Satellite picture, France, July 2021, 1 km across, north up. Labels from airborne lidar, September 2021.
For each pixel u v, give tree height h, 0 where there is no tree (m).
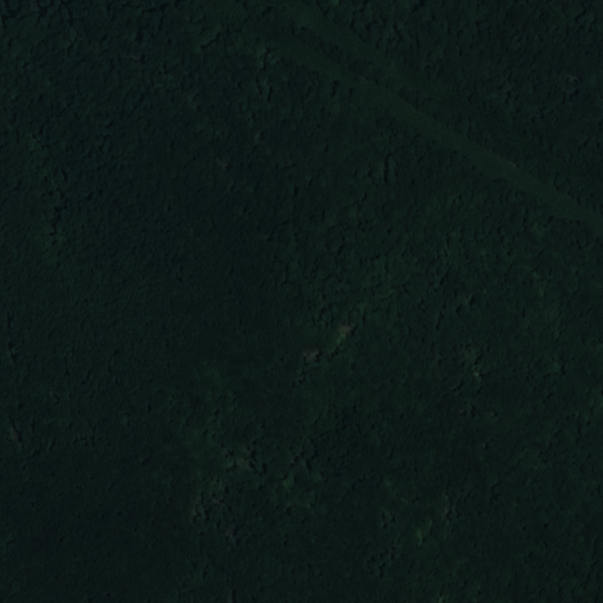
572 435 15
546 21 25
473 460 29
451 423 30
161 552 18
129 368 31
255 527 18
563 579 20
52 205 26
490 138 21
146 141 24
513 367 17
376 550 25
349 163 28
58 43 31
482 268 18
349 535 22
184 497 22
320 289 23
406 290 24
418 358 23
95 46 27
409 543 23
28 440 25
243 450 29
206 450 32
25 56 20
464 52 26
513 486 22
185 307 30
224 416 28
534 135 20
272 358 28
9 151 26
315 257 22
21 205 31
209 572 20
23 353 29
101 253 27
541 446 25
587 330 27
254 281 28
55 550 25
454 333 23
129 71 23
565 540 23
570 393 27
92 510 28
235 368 26
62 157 29
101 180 28
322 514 29
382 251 28
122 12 28
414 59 26
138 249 27
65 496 29
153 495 24
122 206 29
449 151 9
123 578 24
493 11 22
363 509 27
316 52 7
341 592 25
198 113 20
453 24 29
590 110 26
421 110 19
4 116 25
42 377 30
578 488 29
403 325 23
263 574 22
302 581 23
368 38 20
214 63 19
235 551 24
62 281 23
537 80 32
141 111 21
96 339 29
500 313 23
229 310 26
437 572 17
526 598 25
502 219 21
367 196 25
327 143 26
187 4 33
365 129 19
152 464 24
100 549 24
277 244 30
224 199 19
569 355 32
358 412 33
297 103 30
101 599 25
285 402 24
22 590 24
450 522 19
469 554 27
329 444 26
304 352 30
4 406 29
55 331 31
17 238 27
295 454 33
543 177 22
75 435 24
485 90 28
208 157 20
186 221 21
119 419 23
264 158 23
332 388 32
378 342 26
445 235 18
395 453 21
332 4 28
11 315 23
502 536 24
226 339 25
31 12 35
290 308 27
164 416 20
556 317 7
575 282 24
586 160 28
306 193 30
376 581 21
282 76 19
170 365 27
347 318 27
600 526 28
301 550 25
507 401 21
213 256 28
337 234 27
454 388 22
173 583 19
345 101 31
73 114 21
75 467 24
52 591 23
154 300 29
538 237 27
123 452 16
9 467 25
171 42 30
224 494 35
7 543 27
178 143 21
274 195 31
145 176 27
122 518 24
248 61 24
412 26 29
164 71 12
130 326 30
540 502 24
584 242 27
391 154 29
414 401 28
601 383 22
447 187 26
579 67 26
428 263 24
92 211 30
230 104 15
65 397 29
